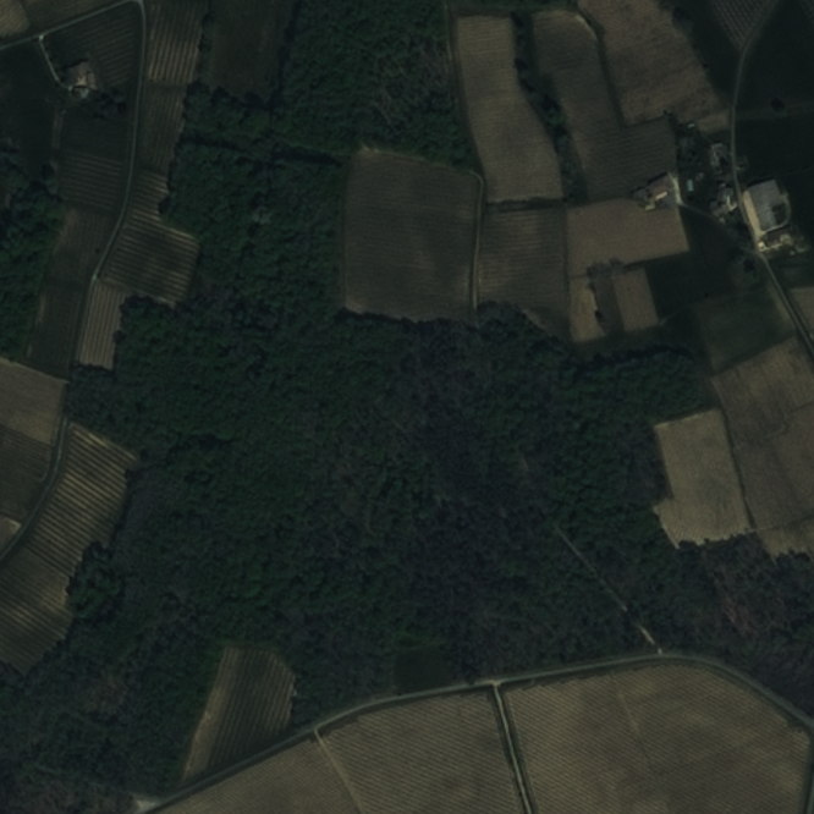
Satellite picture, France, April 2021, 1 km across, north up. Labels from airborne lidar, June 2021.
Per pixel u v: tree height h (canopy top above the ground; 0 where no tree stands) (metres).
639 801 0
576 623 18
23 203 24
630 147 0
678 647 14
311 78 23
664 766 0
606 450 23
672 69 0
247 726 0
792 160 0
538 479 19
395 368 17
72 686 15
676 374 21
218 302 22
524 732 0
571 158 21
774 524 0
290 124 25
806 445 0
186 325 22
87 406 14
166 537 18
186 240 0
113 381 18
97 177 0
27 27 0
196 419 29
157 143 0
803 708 6
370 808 0
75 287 0
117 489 0
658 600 19
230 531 23
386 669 20
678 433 0
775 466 0
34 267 23
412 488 19
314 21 22
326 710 20
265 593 19
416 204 0
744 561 11
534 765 0
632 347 0
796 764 0
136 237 0
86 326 0
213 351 26
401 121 21
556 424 20
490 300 0
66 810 13
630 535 25
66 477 0
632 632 21
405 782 0
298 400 24
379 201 0
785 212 0
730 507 0
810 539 0
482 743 0
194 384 27
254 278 23
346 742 0
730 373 0
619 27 0
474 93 0
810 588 16
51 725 20
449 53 20
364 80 19
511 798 0
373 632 19
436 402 18
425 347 14
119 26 0
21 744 20
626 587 17
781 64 0
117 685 8
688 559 18
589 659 7
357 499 17
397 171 0
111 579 25
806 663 13
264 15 0
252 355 26
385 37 17
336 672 22
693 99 0
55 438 0
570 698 0
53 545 0
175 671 22
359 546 19
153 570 16
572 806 0
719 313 0
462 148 22
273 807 0
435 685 0
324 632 14
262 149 11
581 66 0
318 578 24
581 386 26
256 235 22
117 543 14
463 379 15
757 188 0
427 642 9
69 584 0
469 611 14
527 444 18
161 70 0
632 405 21
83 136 0
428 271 0
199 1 0
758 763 0
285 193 24
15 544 0
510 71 0
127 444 11
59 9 0
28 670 0
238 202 24
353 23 21
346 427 26
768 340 0
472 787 0
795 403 0
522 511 14
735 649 13
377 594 21
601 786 0
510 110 0
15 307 23
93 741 13
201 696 18
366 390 24
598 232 0
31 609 0
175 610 19
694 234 0
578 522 26
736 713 0
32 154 0
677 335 0
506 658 16
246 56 0
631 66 0
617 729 0
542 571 18
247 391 21
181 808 0
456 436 21
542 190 0
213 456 31
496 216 0
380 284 0
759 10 22
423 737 0
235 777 0
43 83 0
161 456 14
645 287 0
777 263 0
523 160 0
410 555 19
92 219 0
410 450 22
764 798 0
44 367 0
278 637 22
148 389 23
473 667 18
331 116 21
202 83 12
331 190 16
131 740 16
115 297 0
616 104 0
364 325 15
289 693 0
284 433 22
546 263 0
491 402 20
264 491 23
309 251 23
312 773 0
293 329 22
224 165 27
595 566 18
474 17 0
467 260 0
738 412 0
